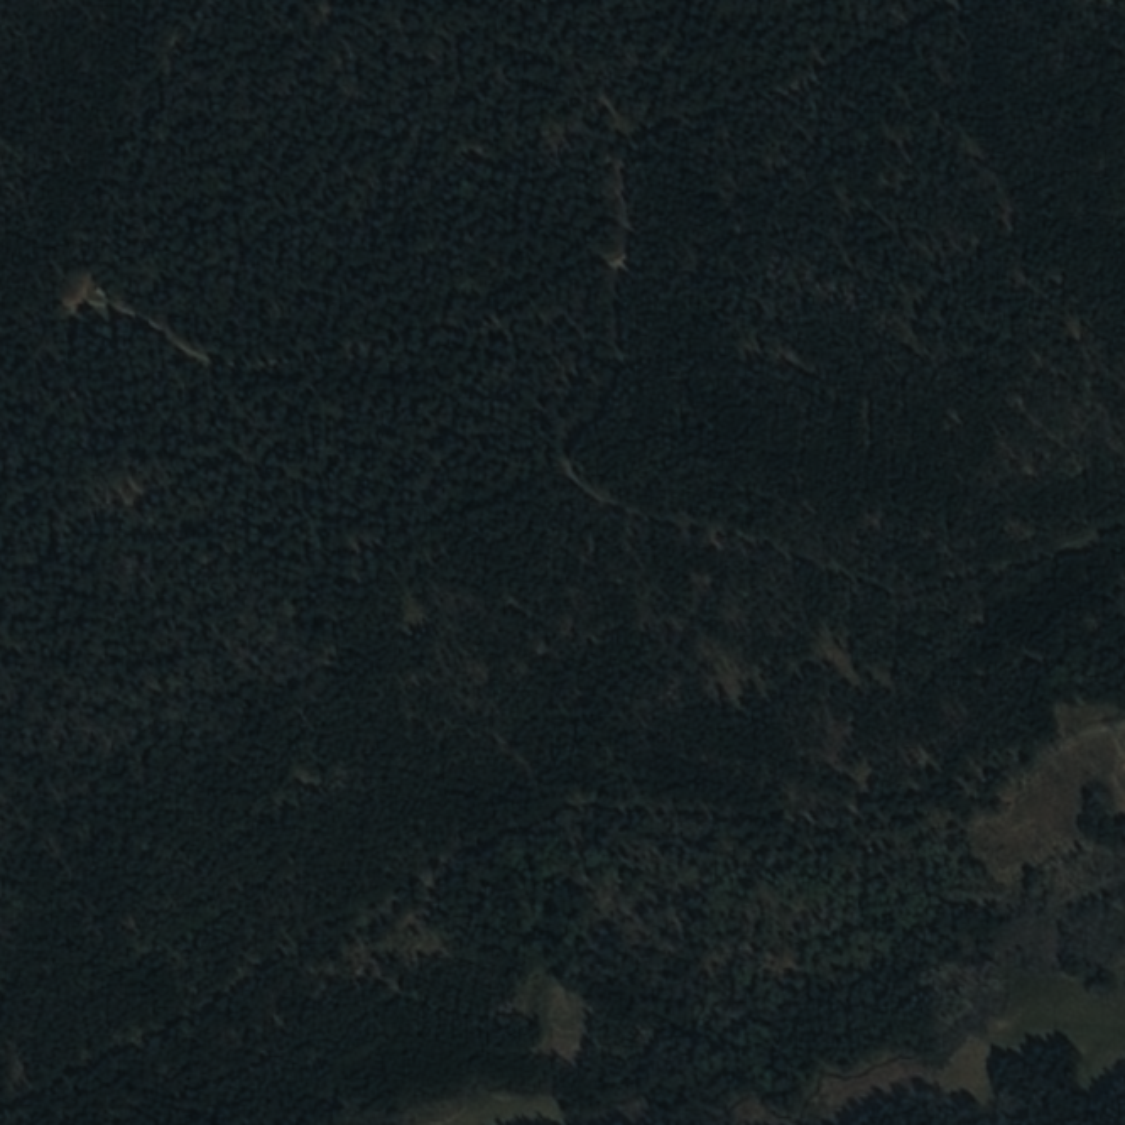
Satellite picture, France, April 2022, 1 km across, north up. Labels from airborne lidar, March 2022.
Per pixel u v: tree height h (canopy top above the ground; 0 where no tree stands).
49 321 24
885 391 20
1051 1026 0
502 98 28
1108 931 15
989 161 18
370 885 24
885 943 37
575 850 13
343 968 42
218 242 32
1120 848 24
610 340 29
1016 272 23
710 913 34
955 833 14
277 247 28
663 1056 23
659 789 27
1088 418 20
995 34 23
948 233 20
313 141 28
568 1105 15
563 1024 0
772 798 22
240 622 29
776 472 21
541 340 29
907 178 23
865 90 16
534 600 24
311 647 26
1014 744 24
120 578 26
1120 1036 0
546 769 25
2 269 23
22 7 20
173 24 26
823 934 38
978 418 20
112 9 19
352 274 28
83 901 23
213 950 27
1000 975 30
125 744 26
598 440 23
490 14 28
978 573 24
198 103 27
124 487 25
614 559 23
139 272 26
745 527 24
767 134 20
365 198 25
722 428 22
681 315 29
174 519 32
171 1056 34
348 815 22
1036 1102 24
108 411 30
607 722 25
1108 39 18
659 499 22
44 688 23
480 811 25
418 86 13
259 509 28
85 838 25
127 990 26
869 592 21
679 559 25
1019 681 24
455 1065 21
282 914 29
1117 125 17
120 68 17
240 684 32
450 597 18
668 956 7
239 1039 25
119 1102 30
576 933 39
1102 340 18
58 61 16
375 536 26
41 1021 27
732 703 29
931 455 20
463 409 23
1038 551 20
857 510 21
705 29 20
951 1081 0
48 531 28
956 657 21
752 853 24
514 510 20
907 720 24
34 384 27
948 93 22
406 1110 9
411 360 28
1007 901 16
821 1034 28
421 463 26
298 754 26
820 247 19
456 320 25
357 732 27
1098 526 22
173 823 28
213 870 27
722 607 19
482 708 22
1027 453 21
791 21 20
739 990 9
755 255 23
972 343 23
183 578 29
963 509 23
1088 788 0
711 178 20
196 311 17
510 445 28
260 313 26
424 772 20
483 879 32
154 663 23
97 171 18
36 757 25
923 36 25
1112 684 24
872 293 27
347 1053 26
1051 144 14
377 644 26
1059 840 0
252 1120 21
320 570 29
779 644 22
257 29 26
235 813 27
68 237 21
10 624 24
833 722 20
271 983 27
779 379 23
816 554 22
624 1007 23
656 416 20
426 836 24
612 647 21
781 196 23
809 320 23
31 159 23
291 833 25
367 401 23
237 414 31
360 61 20
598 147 26
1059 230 17
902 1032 28
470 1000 19
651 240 23
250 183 27
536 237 27
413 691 25
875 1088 0
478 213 11
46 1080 31
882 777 27
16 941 22
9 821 21
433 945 32
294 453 28
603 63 24
